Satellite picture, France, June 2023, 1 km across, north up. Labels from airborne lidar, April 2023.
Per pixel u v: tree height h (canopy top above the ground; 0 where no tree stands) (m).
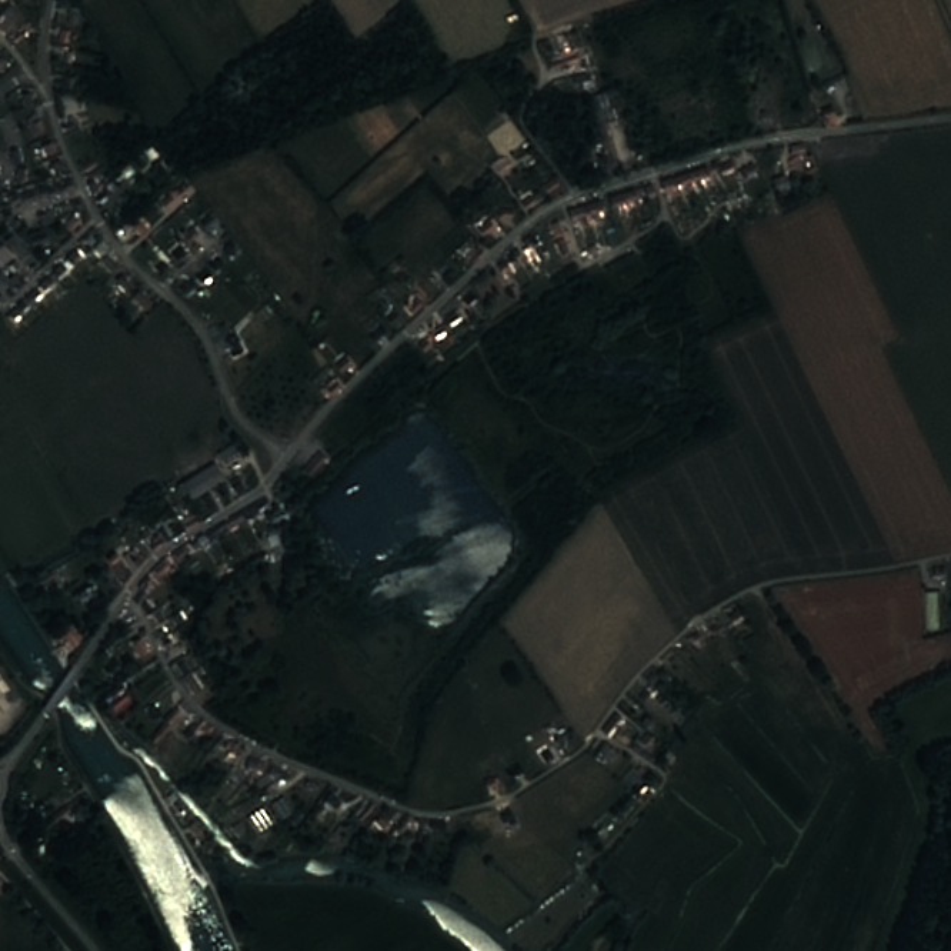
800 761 0
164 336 0
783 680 0
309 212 0
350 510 0
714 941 0
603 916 0
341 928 0
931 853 26
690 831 0
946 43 0
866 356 0
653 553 0
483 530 0
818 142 0
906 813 0
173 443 0
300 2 0
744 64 13
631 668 0
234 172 0
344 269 0
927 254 0
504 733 0
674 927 0
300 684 0
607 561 0
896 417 0
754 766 0
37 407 0
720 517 0
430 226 0
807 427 0
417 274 0
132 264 0
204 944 0
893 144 0
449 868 8
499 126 0
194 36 0
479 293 6
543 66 0
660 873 0
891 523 0
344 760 0
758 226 0
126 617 0
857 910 0
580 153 20
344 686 0
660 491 0
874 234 0
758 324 0
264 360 0
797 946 0
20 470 0
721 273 0
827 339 0
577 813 0
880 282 0
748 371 0
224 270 0
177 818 0
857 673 0
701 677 0
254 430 0
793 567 0
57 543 0
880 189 0
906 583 0
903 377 0
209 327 0
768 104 0
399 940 0
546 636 0
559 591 0
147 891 0
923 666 0
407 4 6
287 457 0
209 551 0
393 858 10
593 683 0
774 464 0
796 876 0
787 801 0
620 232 0
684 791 0
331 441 0
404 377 6
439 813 0
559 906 0
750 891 0
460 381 0
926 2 0
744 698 0
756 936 0
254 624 0
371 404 6
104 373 0
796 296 0
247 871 0
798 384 0
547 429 0
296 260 0
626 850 0
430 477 0
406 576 0
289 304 0
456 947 0
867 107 0
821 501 0
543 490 6
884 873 0
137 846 0
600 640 0
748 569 0
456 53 0
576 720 0
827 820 0
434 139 0
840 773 0
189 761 0
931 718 0
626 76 0
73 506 0
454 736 0
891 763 0
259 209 0
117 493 0
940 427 0
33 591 22
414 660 0
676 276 6
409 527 0
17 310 0
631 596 0
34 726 0
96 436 0
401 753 0
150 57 0
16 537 0
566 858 0
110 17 0
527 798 0
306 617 0
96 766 0
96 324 0
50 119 0
